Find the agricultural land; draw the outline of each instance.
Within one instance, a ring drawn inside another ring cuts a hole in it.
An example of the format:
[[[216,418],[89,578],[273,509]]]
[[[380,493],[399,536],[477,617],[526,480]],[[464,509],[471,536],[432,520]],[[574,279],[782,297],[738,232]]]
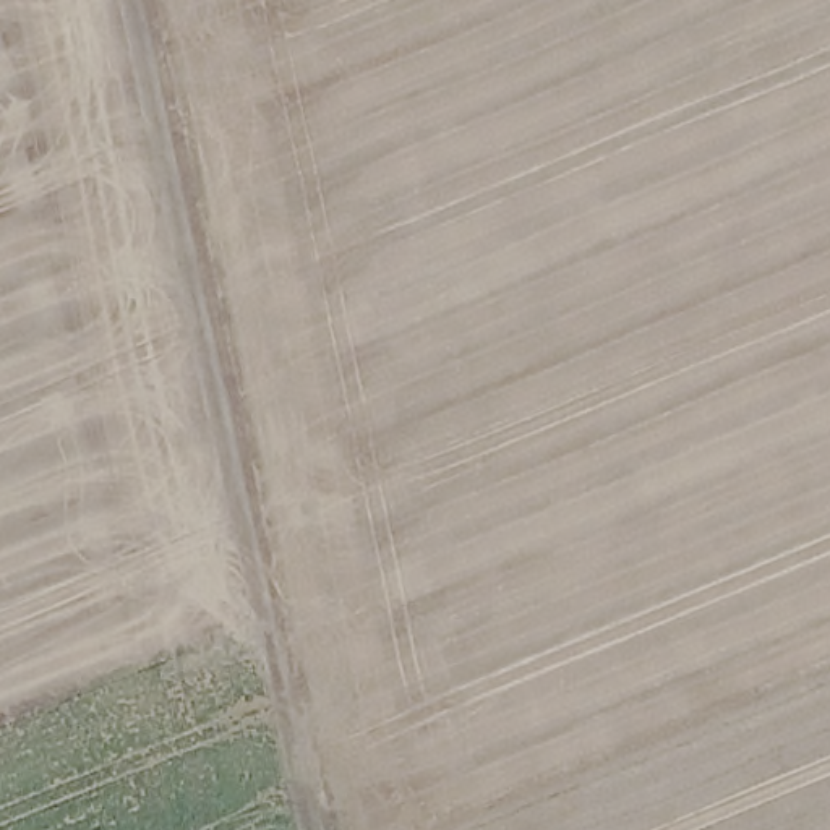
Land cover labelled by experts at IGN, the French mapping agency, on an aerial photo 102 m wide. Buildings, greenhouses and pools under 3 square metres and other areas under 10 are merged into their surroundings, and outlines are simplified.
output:
[[[0,0],[0,830],[830,830],[830,0]]]

